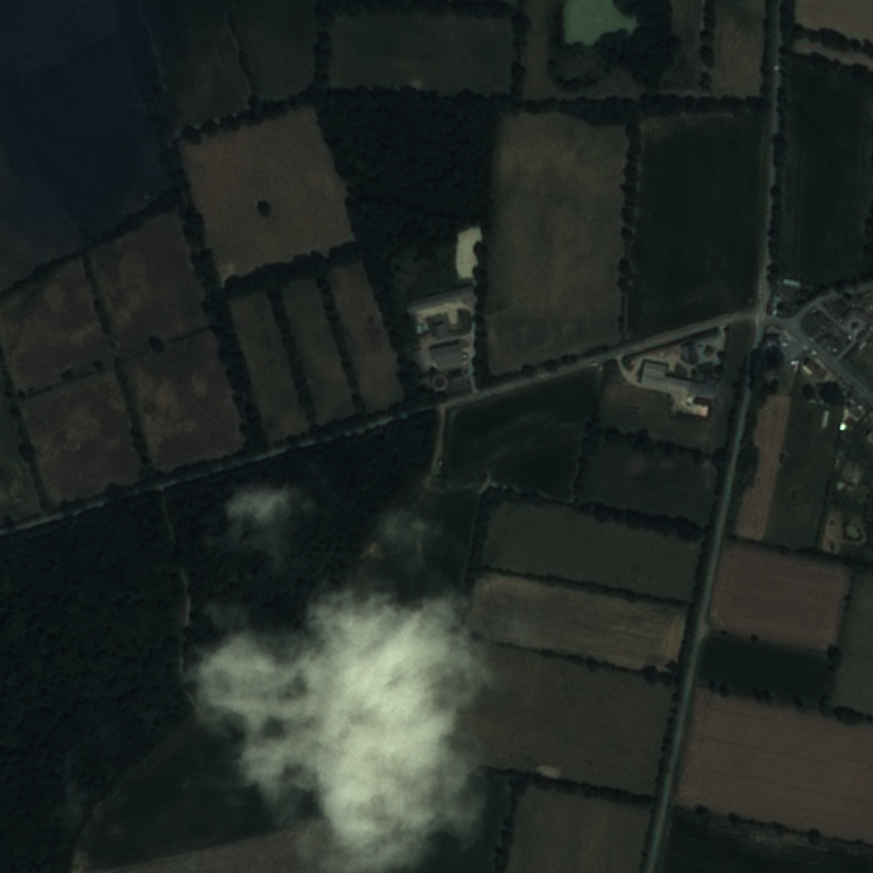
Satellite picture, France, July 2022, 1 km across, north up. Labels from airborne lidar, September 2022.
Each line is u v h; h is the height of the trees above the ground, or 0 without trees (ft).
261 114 47
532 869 0
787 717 0
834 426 0
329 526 56
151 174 0
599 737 0
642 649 0
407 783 0
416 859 0
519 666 0
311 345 0
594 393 0
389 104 68
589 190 0
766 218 0
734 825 53
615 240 0
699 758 0
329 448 54
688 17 0
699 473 0
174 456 0
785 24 47
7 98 28
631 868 0
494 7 61
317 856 0
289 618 60
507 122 0
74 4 0
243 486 65
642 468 0
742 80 0
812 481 0
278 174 0
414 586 0
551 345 0
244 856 0
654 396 0
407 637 0
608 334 0
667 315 0
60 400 0
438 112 75
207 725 0
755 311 0
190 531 43
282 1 0
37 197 0
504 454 0
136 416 21
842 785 0
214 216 0
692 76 0
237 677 90
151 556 52
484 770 26
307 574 67
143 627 20
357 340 0
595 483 0
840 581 0
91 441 0
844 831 0
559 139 0
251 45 0
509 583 0
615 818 0
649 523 57
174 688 42
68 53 0
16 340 0
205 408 0
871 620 0
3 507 0
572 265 0
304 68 0
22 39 0
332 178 0
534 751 0
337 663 18
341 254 60
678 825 0
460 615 24
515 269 0
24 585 35
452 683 22
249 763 0
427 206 23
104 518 41
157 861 0
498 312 0
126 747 84
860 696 0
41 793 54
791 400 0
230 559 59
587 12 0
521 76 40
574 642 0
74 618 34
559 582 33
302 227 0
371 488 61
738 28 0
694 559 0
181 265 0
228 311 62
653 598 19
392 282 20
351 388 20
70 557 52
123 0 56
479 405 0
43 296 0
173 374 0
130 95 0
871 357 0
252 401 22
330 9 71
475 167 55
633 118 40
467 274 0
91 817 52
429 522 0
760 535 0
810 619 0
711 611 0
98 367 50
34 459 50
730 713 0
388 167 55
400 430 52
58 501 0
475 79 0
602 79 0
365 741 0
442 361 0
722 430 0
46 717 60
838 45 59
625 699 0
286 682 35
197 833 0
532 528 0
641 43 32
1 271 0
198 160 0
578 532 0
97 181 0
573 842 0
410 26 0
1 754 43
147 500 39
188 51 0
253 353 0
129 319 0
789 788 0
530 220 0
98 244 18
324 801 0
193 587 26
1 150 0
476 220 38
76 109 0
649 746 0
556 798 0
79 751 66
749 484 0
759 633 0
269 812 0
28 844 68
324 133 58
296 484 60
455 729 0
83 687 38
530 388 0
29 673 33
